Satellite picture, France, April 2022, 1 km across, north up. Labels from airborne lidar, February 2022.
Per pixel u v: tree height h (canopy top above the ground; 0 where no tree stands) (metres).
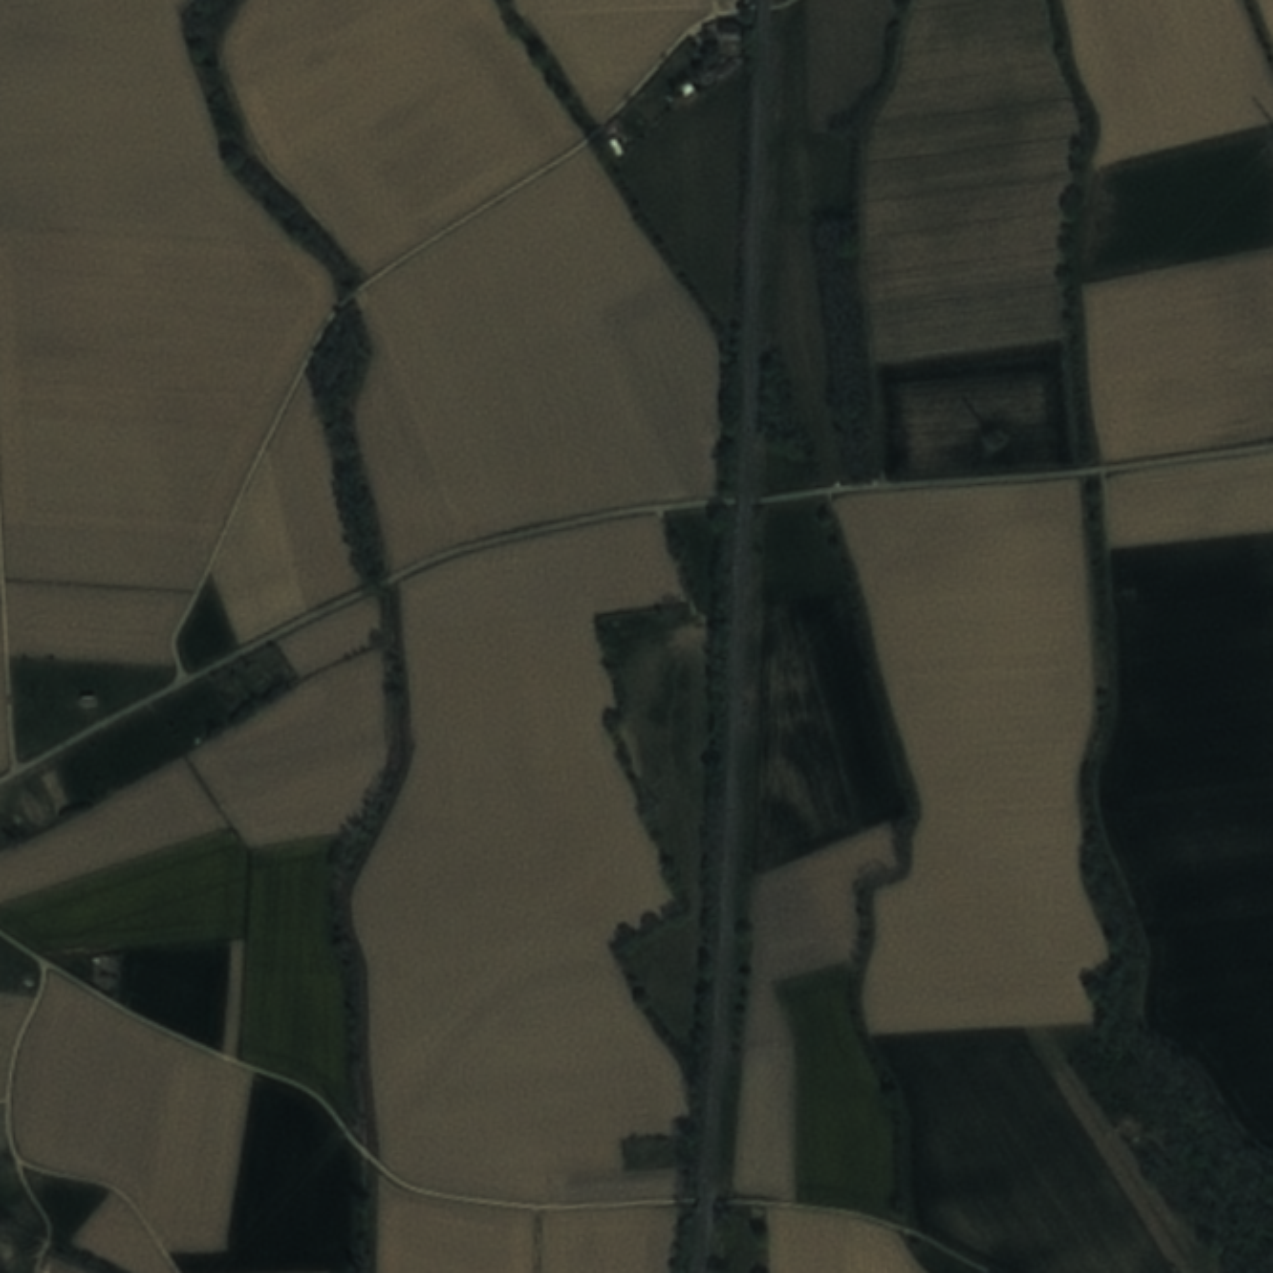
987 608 0
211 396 0
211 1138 0
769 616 0
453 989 0
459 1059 0
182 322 0
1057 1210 0
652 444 0
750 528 0
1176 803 0
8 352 0
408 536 0
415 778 0
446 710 0
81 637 0
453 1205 0
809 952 0
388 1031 0
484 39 0
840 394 17
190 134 0
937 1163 0
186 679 0
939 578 0
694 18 0
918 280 0
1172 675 0
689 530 0
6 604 0
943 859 0
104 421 0
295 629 0
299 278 0
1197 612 0
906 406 0
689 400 0
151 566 0
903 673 0
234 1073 0
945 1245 0
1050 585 0
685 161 0
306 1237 0
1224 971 0
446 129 0
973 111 0
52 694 0
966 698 0
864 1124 0
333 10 0
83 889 0
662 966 0
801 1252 0
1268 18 0
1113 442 0
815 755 0
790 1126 0
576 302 0
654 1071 0
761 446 0
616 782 0
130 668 0
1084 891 0
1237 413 0
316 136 0
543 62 15
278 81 0
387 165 0
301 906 0
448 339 0
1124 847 0
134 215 0
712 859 14
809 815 0
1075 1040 0
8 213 0
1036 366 0
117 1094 0
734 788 0
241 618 0
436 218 0
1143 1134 0
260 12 0
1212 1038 0
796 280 0
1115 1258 0
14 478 0
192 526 0
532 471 0
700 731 0
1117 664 0
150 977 0
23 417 0
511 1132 0
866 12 0
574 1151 0
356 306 13
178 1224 0
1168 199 0
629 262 0
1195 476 0
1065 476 0
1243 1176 9
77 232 0
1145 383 0
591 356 0
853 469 14
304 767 0
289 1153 0
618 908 0
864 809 0
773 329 0
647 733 0
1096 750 0
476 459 0
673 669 0
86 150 0
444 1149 0
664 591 0
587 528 0
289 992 0
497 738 0
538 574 0
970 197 0
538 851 0
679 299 0
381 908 0
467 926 0
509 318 0
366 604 0
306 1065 0
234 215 0
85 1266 14
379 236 0
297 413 0
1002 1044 0
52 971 0
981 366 0
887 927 0
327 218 0
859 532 0
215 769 0
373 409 0
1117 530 0
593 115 0
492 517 0
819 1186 0
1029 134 0
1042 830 0
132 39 0
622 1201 0
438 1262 0
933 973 0
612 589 0
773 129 0
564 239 0
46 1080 0
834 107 0
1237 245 0
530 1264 0
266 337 0
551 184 0
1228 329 0
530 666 0
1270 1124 0
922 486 0
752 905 0
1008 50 0
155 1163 0
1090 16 0
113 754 0
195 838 0
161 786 0
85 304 0
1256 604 0
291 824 0
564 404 0
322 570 0
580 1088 0
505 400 0
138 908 0
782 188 0
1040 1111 0
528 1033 0
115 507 0
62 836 0
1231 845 0
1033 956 0
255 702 8
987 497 0
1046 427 0
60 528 0
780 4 0
